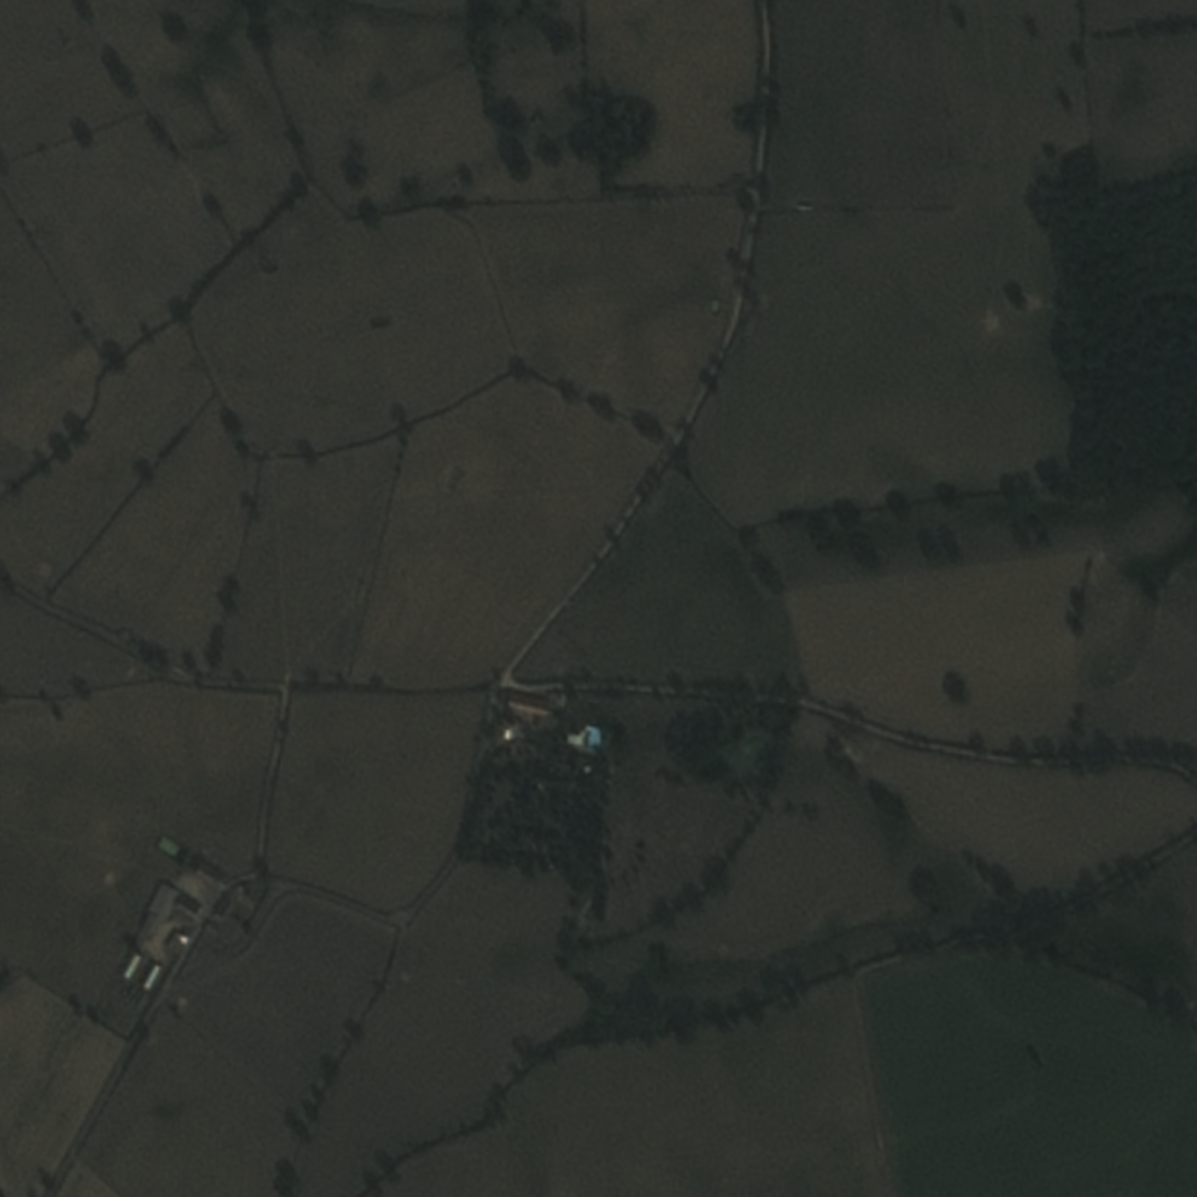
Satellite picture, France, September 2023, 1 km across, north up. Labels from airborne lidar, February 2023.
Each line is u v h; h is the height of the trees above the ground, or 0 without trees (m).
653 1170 0
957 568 0
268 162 0
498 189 0
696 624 0
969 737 0
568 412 0
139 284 0
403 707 0
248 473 0
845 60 0
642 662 0
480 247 0
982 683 0
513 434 0
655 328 0
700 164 0
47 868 0
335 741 0
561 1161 0
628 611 0
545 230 0
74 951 0
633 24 0
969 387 0
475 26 22
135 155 0
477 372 0
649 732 0
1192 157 0
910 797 0
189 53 0
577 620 0
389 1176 15
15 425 0
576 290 0
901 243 0
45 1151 0
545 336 0
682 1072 0
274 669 0
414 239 0
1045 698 0
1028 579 0
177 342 0
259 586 0
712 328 0
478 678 0
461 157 0
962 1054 0
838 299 0
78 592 0
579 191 0
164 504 0
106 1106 0
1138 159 0
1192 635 0
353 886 0
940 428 0
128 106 0
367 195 0
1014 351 0
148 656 16
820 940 0
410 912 0
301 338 0
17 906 0
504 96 0
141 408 0
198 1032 0
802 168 0
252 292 0
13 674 0
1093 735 0
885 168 0
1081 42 0
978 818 0
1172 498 0
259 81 0
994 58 0
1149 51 0
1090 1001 0
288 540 0
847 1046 0
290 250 0
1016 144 0
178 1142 0
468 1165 0
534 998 0
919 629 0
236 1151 0
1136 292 9
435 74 0
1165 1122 0
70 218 0
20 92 0
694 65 0
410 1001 0
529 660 0
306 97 0
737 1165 0
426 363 0
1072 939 0
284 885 0
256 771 0
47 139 0
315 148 0
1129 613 0
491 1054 0
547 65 0
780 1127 0
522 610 0
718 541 0
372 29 0
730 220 0
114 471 0
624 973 0
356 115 0
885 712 0
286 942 0
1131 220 6
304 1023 0
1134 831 0
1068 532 0
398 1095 0
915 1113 0
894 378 0
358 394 0
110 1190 0
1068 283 9
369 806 0
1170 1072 0
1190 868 0
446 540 0
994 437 0
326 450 0
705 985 0
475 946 0
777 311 0
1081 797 0
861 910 0
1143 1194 0
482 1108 0
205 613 0
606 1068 0
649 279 0
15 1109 0
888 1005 0
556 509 0
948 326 0
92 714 0
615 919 0
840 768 15
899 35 0
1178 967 0
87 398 0
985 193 0
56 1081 0
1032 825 0
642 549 0
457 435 0
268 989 0
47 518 0
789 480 0
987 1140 0
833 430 0
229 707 0
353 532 0
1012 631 0
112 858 0
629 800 0
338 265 0
